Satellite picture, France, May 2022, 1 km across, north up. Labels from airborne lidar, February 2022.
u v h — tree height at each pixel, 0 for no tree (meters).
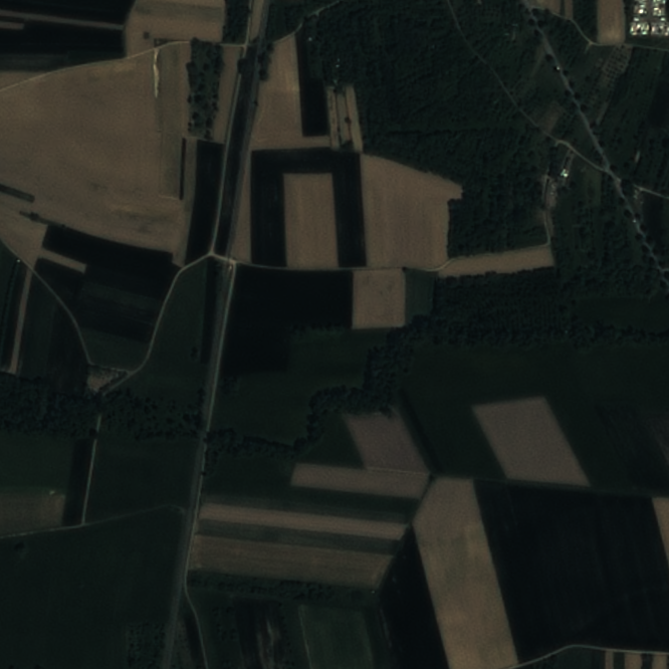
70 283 0
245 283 0
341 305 0
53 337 0
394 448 0
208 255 0
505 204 11
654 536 0
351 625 0
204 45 12
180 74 0
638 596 0
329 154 0
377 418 0
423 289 0
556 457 0
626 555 0
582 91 0
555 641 0
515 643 0
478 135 6
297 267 0
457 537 0
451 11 0
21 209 0
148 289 0
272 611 0
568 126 0
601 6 0
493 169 8
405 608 0
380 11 6
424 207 0
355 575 0
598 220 0
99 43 0
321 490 0
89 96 0
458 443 0
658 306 0
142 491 0
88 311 0
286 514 0
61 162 0
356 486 0
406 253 0
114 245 0
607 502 0
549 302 0
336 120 0
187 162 0
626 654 0
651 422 0
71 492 0
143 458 0
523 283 0
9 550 0
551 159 11
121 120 0
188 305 0
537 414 0
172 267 0
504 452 0
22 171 0
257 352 0
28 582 0
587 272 8
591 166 0
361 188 0
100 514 0
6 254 0
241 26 6
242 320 0
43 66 0
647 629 0
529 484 0
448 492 0
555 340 7
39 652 0
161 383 0
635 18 0
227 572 0
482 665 0
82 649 0
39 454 0
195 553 0
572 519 0
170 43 0
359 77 15
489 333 13
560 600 0
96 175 0
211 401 0
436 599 0
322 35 8
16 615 0
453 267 0
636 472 0
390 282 0
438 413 0
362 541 0
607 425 0
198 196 0
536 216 0
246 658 0
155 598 0
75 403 21
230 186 0
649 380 0
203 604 0
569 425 0
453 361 0
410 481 0
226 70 0
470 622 0
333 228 0
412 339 18
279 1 0
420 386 0
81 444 0
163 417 0
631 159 0
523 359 0
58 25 0
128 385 0
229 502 0
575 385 0
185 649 0
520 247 0
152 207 0
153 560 0
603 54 0
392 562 0
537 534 0
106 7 0
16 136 0
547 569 0
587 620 0
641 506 0
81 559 0
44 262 0
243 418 0
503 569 0
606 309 0
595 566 0
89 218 0
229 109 0
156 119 0
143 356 0
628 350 0
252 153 0
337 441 0
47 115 0
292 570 0
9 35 0
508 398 0
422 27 16
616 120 0
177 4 0
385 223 0
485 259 0
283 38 0
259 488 0
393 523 0
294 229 0
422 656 0
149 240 0
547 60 10
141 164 0
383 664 0
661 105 0
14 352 0
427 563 0
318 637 0
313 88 0
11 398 19
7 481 0
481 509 0
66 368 0
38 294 0
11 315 0
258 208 0
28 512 0
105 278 0
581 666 0
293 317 0
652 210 0
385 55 9
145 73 0
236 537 0
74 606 0
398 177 0
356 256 0
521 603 0
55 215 0
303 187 0
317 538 0
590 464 0
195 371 0
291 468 0
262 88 0
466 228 6
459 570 0
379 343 0
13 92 0
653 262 14
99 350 0
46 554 0
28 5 0
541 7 0
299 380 0
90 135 0
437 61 6
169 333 0
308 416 0
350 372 0
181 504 0
